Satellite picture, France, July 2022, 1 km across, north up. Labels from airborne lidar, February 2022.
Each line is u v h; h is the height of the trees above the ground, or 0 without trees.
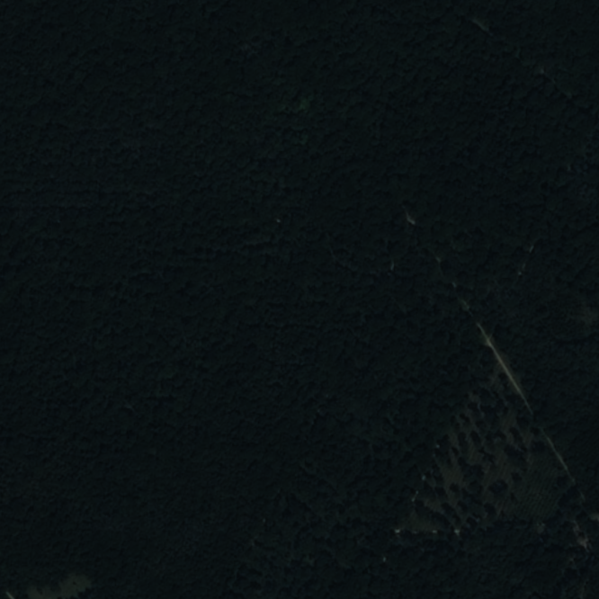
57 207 18
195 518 24
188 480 14
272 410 16
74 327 17
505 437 29
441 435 14
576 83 15
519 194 20
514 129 20
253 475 20
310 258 20
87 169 23
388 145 22
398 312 9
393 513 18
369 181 19
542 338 22
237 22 20
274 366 17
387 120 19
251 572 13
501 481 0
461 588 24
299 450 20
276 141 22
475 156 25
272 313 16
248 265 23
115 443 19
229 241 16
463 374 23
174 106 16
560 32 23
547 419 24
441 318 14
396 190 23
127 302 23
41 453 18
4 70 18
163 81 18
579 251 19
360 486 16
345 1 26
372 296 16
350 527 21
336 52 24
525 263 18
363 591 21
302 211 13
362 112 21
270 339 12
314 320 15
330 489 17
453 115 21
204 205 19
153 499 17
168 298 25
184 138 22
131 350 17
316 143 21
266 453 18
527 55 20
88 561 13
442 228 22
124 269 21
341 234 15
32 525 18
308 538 22
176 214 10
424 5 25
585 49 20
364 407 18
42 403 20
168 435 16
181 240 18
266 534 20
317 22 25
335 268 18
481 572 18
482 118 9
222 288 7
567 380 23
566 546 19
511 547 16
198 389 19
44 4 18
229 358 19
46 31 19
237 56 21
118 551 19
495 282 20
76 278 22
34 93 18
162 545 19
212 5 25
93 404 17
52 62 18
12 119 22
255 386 22
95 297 21
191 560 18
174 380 18
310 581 17
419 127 20
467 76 17
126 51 17
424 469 19
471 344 23
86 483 20
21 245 21
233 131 20
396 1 19
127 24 22
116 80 15
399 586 19
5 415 13
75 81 15
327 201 22
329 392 19
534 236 20
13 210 21
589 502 15
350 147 17
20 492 18
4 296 23
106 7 17
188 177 15
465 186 22
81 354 13
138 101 17
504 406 26
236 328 18
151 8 23
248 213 22
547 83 21
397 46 21
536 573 24
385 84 19
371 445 21
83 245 10
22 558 18
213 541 13
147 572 20
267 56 21
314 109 24
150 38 25
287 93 22
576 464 11
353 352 19
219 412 18
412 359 17
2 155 21
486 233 25
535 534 9
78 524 15
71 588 0
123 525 21
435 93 20
